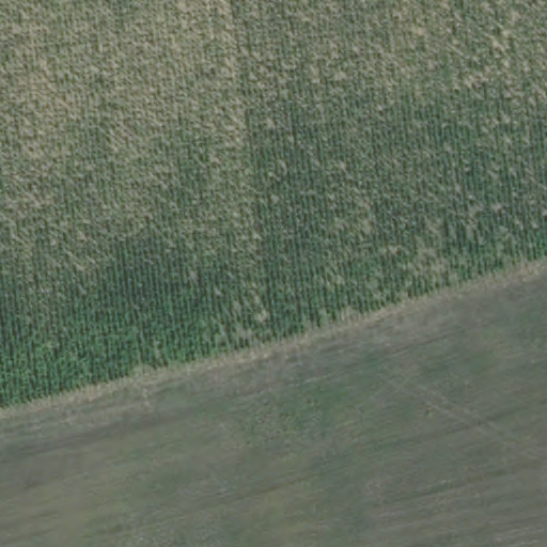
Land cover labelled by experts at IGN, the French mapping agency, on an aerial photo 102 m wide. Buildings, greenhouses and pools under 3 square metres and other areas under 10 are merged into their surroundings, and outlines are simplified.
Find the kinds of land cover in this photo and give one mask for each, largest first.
<instances>
[{"label":"vineyard","instance_id":"1","mask_svg":"<svg viewBox=\"0 0 547 547\"><path fill-rule=\"evenodd\" d=\"M541 256H547V0H0V408L13 404H28L32 400H41L47 395H60L88 385L124 378L132 374L135 365L167 368L171 363H190L203 357L254 348L261 342L286 340L297 333L312 331L314 327L329 325L331 321L335 323L338 314L344 308H353L357 312H374L391 303H397L400 293L419 297L449 286H462L464 282L485 276L489 271L515 267L523 259L536 261Z\"/></svg>","mask_w":547,"mask_h":547},{"label":"agricultural land","instance_id":"2","mask_svg":"<svg viewBox=\"0 0 547 547\"><path fill-rule=\"evenodd\" d=\"M0 547H547V256H541L536 261L523 259L515 267L489 271L485 276L464 282L462 286H449L419 297L400 293L397 303H391L374 312H357L353 308H344L338 314L335 323L331 321L329 325L314 327L312 331L297 333L286 340L261 342L254 348L203 357L190 363H171L167 368L135 365L132 374L124 378L88 385L60 395H47L41 400H32L28 404H13L0 408Z\"/></svg>","mask_w":547,"mask_h":547}]
</instances>
